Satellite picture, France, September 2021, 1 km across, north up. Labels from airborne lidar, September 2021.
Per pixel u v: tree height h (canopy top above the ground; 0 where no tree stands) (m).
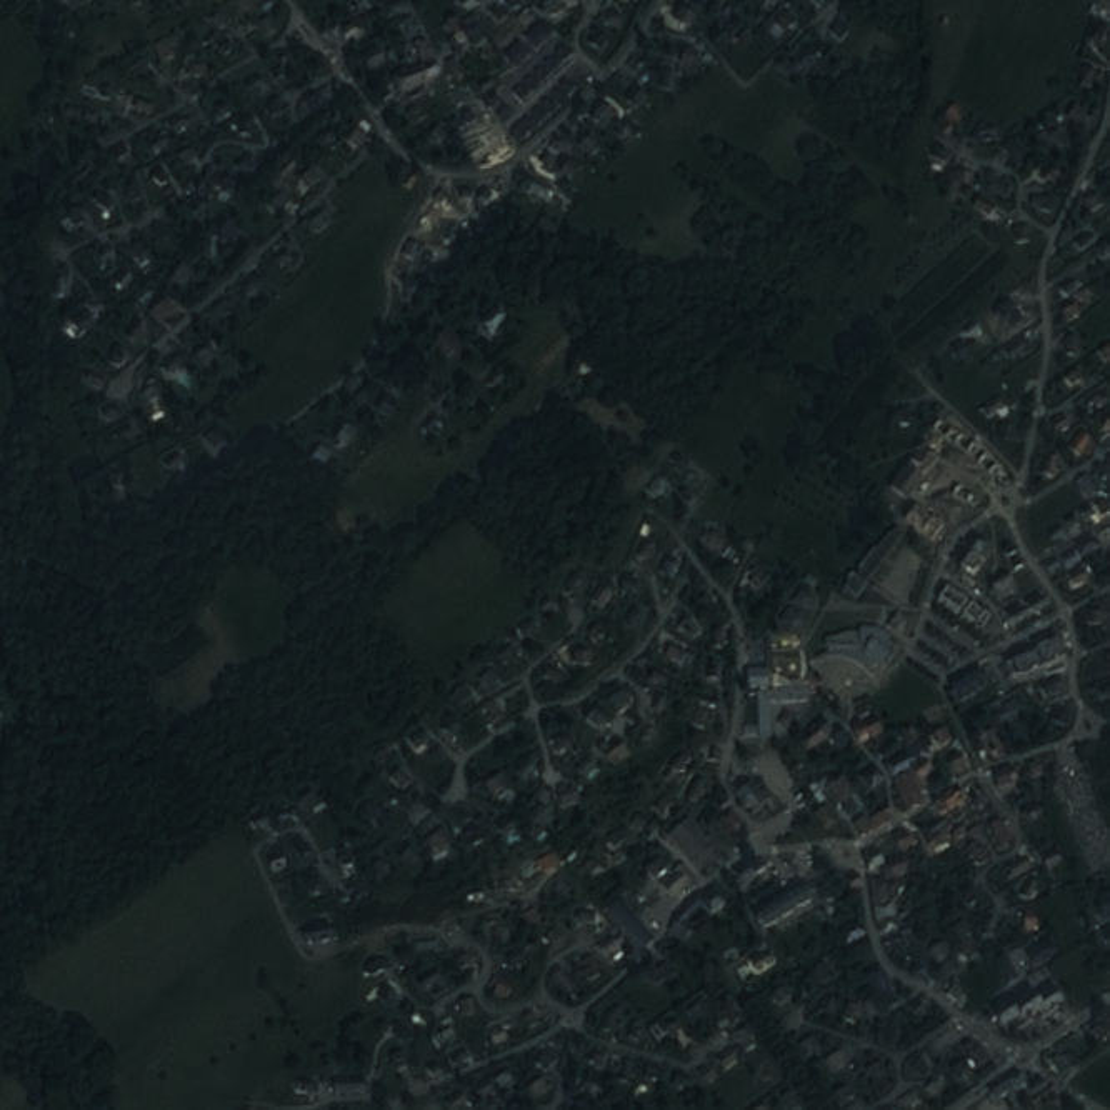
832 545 0
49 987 0
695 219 8
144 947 0
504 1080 0
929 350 0
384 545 17
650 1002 0
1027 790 10
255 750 16
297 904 0
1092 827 0
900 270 7
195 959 0
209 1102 0
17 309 24
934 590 0
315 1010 0
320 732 14
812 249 14
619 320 28
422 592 0
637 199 0
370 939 0
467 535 0
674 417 23
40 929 24
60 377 22
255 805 13
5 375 0
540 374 0
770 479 0
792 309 12
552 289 23
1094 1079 0
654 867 0
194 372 11
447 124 6
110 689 24
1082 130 8
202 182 7
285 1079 0
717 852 0
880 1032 11
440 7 0
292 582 13
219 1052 0
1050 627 0
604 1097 11
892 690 0
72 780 24
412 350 10
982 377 0
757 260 18
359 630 19
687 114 0
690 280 23
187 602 27
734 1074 0
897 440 0
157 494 0
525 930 10
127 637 18
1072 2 0
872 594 0
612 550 14
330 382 0
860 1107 0
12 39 0
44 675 29
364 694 15
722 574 10
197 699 0
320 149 6
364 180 0
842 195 9
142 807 21
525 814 7
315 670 19
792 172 0
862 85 19
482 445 0
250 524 26
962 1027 0
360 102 13
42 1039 17
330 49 0
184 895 0
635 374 23
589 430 24
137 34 0
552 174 0
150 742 20
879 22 13
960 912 9
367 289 0
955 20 0
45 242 0
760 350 17
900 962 7
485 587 0
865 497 23
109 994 0
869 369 21
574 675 8
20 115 0
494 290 9
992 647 0
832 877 13
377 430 8
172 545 21
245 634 0
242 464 18
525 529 18
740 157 14
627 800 8
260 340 0
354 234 0
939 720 0
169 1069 0
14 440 17
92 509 18
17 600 23
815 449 10
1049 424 5
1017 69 0
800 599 0
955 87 0
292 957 0
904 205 13
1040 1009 0
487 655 10
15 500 27
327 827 0
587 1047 14
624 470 15
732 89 0
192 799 14
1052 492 0
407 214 0
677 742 6
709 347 30
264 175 12
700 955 8
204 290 9
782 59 7
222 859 0
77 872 16
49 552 25
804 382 19
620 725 0
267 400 0
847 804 0
